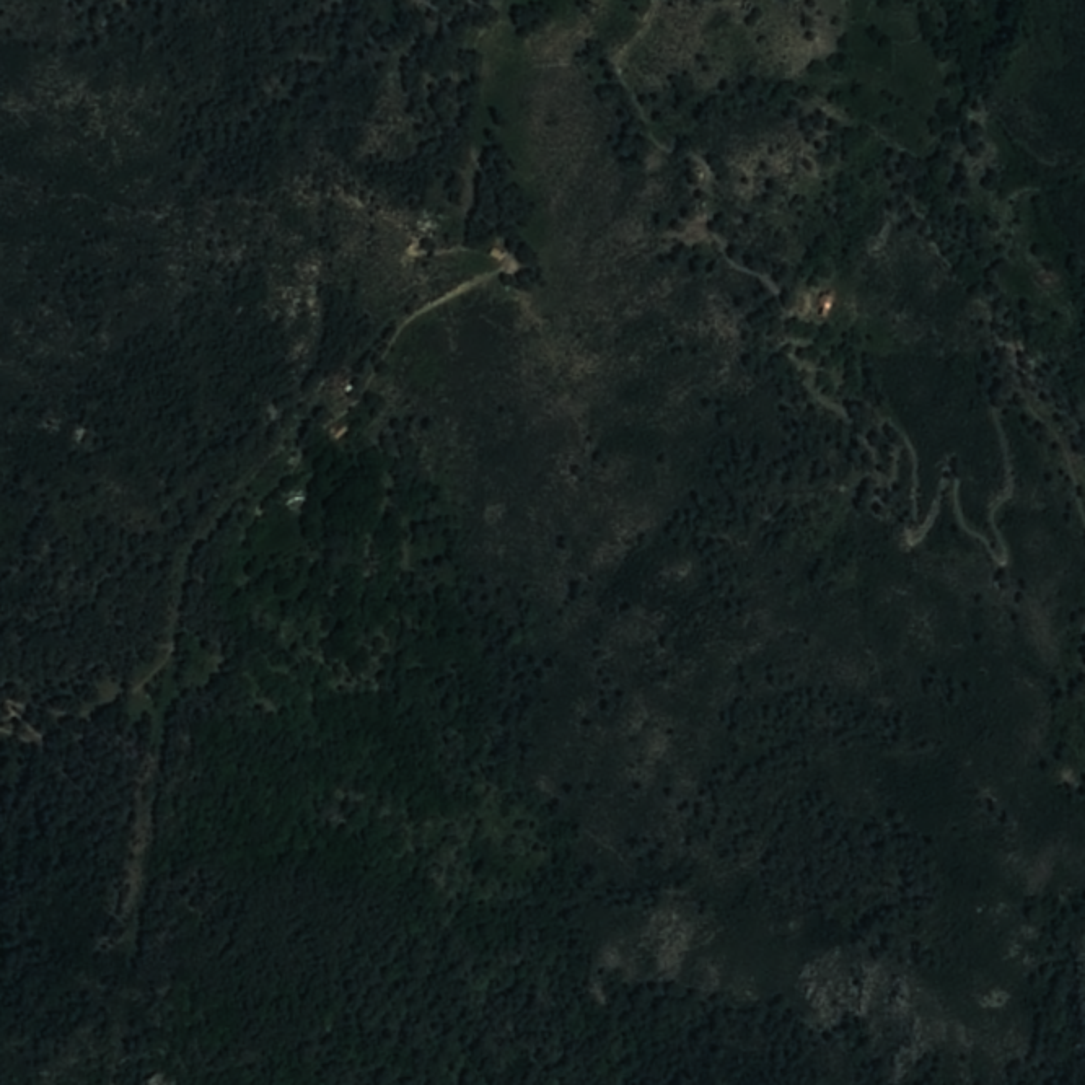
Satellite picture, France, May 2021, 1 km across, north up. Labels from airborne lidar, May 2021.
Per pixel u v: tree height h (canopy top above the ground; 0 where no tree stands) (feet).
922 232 43
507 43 0
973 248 47
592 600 65
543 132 0
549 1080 54
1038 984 67
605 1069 39
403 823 19
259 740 67
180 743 44
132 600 66
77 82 0
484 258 0
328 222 22
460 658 71
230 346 47
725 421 64
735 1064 26
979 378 18
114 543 53
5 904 69
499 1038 88
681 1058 71
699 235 0
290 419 56
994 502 0
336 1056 54
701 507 72
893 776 26
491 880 44
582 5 54
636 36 0
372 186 34
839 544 20
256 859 65
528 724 79
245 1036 55
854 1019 18
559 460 0
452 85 85
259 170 41
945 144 36
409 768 61
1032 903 46
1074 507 63
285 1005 51
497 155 65
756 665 18
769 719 70
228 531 63
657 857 70
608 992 40
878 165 23
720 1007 57
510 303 0
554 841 56
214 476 55
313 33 71
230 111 66
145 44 44
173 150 36
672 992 78
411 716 92
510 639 59
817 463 49
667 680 54
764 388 25
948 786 17
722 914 19
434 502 48
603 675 47
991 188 57
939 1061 60
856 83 17
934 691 67
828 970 0
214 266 35
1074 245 19
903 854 88
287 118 68
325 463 66
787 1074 68
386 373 53
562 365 0
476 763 50
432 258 34
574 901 73
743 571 64
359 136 31
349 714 44
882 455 21
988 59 63
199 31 39
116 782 67
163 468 31
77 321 48
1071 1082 68
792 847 63
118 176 19
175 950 58
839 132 51
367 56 53
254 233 27
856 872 92
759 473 60
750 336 62
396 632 46
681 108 56
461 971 76
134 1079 20
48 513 47
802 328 73
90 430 29
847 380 39
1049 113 17
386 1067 71
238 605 81
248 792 53
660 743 0
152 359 32
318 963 60
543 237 0
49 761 80
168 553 44
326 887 45
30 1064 43
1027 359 60
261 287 38
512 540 0
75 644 62
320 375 67
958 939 36
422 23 39
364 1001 64
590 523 0
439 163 41
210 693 64
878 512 71
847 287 0
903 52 0
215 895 51
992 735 26
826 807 64
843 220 54
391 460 62
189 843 51
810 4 45
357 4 97
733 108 55
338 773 64
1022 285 0
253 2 36
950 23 28
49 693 31
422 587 71
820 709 52
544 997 32
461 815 38
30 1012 45
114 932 46
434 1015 30
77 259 34
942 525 25
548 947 46
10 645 67
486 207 61
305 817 62
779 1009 66
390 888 66
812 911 25
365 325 35
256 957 46
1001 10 28
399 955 23
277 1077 51
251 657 70
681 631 22
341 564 59
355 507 62
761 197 26
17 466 24
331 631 32
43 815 76
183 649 56
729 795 68
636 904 61
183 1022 42
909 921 65
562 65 0
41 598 34
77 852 58
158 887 55
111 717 61
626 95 85
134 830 38
